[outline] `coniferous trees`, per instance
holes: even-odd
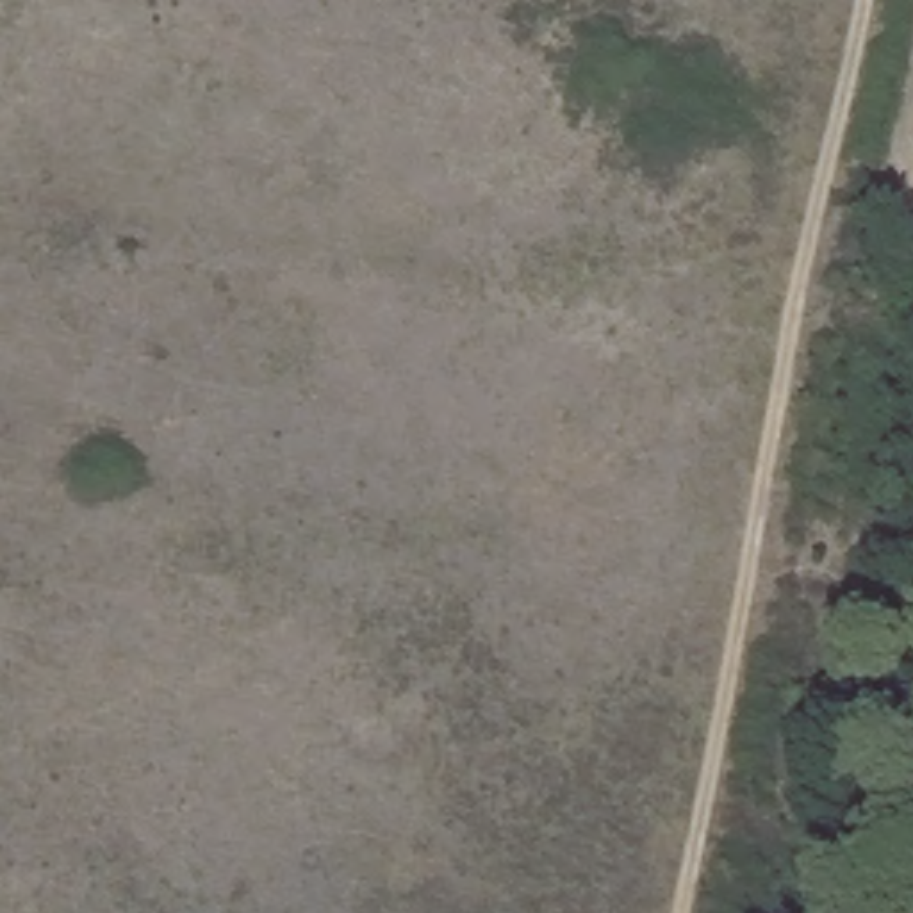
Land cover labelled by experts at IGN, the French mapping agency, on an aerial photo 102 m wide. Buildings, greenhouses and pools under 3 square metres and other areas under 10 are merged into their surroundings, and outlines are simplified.
[[[824,207],[813,278],[831,296],[831,317],[824,328],[802,339],[795,357],[795,389],[781,432],[777,471],[788,481],[788,506],[781,514],[785,542],[802,546],[806,528],[813,521],[827,521],[835,528],[849,524],[860,531],[860,542],[856,549],[849,549],[845,574],[838,581],[799,574],[777,578],[774,599],[763,603],[767,631],[749,642],[692,913],[913,913],[913,185],[906,182],[906,175],[892,168],[856,168],[842,185],[835,185]]]

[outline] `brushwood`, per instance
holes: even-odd
[[[892,168],[892,128],[902,111],[902,89],[913,53],[913,0],[870,0],[874,29],[867,39],[835,185],[842,185],[856,168]]]

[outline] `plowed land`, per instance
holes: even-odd
[[[892,128],[892,168],[906,175],[906,182],[913,185],[913,53],[902,89],[902,111]]]
[[[706,150],[699,164],[688,164],[681,171],[678,189],[670,196],[656,193],[649,178],[642,178],[642,171],[599,171],[596,157],[606,128],[592,114],[585,114],[574,128],[567,125],[560,82],[553,82],[553,71],[542,57],[531,57],[524,46],[510,39],[510,21],[503,18],[503,7],[496,0],[0,0],[0,913],[670,913],[738,578],[745,503],[770,396],[781,307],[788,292],[788,271],[799,246],[813,171],[785,178],[774,210],[767,214],[753,207],[749,157],[735,146]],[[71,453],[71,446],[96,432],[118,432],[146,457],[146,489],[114,503],[82,499],[68,489],[61,460]]]

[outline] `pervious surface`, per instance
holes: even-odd
[[[781,307],[770,396],[745,503],[738,578],[670,913],[692,913],[749,642],[763,528],[770,517],[770,489],[777,471],[781,432],[795,389],[795,357],[802,339],[806,289],[813,278],[824,207],[835,185],[867,39],[874,29],[870,0],[856,0],[813,171],[799,246],[788,271],[788,292]]]

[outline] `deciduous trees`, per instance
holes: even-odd
[[[61,460],[68,489],[82,499],[114,503],[146,489],[146,457],[118,432],[96,432],[71,446],[71,453]]]

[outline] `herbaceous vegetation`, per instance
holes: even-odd
[[[813,278],[806,289],[802,339],[824,328],[831,317],[831,296]]]
[[[838,581],[845,574],[849,549],[856,549],[860,542],[860,531],[849,524],[835,528],[827,521],[813,521],[806,528],[802,546],[785,542],[781,514],[788,506],[788,481],[777,471],[770,489],[770,517],[763,528],[749,642],[767,631],[763,603],[774,599],[777,578],[799,574]]]
[[[574,128],[585,114],[592,114],[606,128],[596,157],[599,171],[642,171],[642,178],[649,178],[656,193],[670,196],[678,189],[681,171],[688,164],[699,164],[706,150],[735,146],[749,157],[753,207],[767,214],[774,210],[785,178],[813,171],[856,0],[496,0],[503,7],[503,18],[510,21],[510,39],[524,46],[531,57],[542,57],[553,71],[553,82],[560,82],[567,125]]]

